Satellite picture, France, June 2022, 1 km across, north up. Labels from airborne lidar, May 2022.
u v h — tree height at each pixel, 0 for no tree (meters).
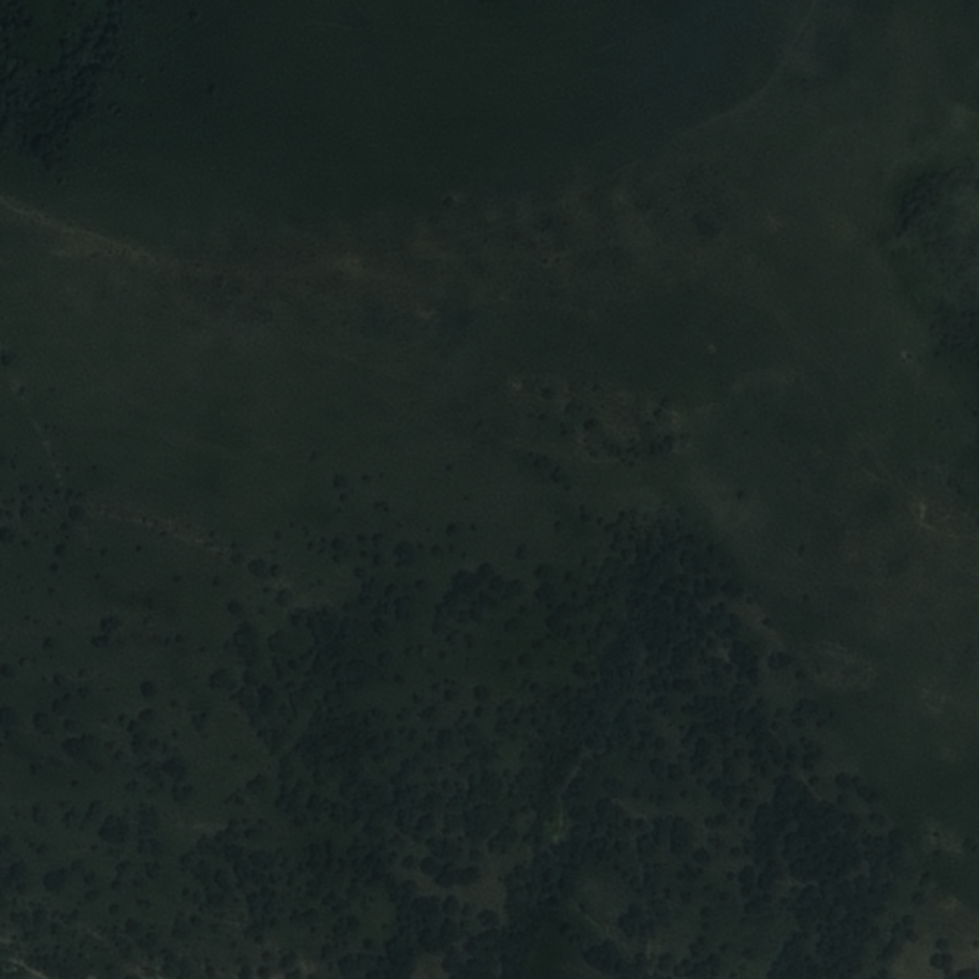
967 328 8
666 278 0
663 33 0
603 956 14
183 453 0
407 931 15
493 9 0
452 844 13
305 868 10
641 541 7
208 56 0
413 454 0
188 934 10
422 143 0
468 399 0
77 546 0
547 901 7
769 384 0
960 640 0
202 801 0
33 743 0
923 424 0
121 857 8
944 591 0
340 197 0
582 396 0
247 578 0
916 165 0
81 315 0
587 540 0
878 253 0
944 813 0
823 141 0
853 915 13
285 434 0
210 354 0
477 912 9
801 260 0
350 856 8
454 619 13
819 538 0
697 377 0
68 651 0
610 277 0
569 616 17
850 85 0
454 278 0
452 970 18
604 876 0
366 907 8
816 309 0
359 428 0
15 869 9
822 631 0
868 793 9
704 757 9
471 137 0
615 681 16
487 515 0
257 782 9
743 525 0
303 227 0
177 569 0
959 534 0
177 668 0
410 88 0
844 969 10
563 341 0
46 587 0
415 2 0
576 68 0
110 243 0
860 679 0
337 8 0
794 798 14
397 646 0
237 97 0
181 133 0
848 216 0
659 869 11
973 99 0
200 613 0
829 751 0
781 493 0
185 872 11
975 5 0
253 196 0
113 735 0
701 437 0
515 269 0
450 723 0
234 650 13
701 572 11
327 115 0
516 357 0
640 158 0
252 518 0
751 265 0
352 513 0
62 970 9
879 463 0
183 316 0
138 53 0
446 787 11
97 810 14
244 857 15
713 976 9
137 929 13
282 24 0
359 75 0
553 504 0
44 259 0
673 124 0
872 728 0
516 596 15
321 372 0
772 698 0
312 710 7
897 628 0
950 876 0
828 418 0
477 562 0
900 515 0
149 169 0
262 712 16
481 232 0
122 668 0
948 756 0
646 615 17
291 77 0
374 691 0
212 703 0
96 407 0
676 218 0
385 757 10
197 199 0
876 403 0
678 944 0
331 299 0
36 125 13
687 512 11
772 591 0
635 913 13
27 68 11
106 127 0
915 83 0
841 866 14
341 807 11
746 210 0
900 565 0
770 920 0
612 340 0
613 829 11
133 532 0
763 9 0
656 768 16
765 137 0
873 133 0
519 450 0
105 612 0
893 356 0
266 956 8
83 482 0
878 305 0
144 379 0
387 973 18
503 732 13
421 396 0
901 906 0
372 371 0
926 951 0
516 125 0
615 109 0
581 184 0
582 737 7
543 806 20
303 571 0
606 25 0
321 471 0
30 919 13
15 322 0
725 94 0
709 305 0
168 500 0
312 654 10
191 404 0
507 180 0
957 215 18
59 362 0
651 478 0
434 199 0
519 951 23
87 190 0
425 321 0
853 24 0
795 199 0
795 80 0
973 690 0
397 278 0
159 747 12
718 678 11
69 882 15
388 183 0
